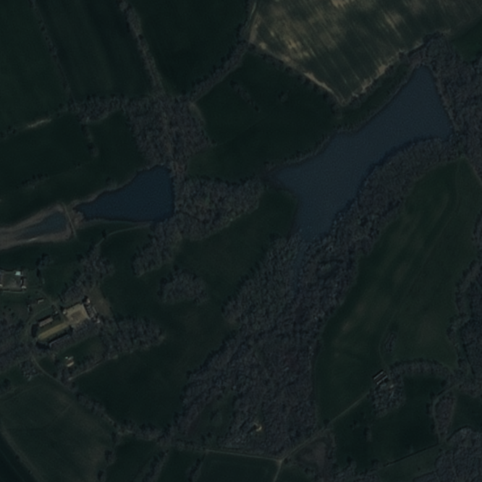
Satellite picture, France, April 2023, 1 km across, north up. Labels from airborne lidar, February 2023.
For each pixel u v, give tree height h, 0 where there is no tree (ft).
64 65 0
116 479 0
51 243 0
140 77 0
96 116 52
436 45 77
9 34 0
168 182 0
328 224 0
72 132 0
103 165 0
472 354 43
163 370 0
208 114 0
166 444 77
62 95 0
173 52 0
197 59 0
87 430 0
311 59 0
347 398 0
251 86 0
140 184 0
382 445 0
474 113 51
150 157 67
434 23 0
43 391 0
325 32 0
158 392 0
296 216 0
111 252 0
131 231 0
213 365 70
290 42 0
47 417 0
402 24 0
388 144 0
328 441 0
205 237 67
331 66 0
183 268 0
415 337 0
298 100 0
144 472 0
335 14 0
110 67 0
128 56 0
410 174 66
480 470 35
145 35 0
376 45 0
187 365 0
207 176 0
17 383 0
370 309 0
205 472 0
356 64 0
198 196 85
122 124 0
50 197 0
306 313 33
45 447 0
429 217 0
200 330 0
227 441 22
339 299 52
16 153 0
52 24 0
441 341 0
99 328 91
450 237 0
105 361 52
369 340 0
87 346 0
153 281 0
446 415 31
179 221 73
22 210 0
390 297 0
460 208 0
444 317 0
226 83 0
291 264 24
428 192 0
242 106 0
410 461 0
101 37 0
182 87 0
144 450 0
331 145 0
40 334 0
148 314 0
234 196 90
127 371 0
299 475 0
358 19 0
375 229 74
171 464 0
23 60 0
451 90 64
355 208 60
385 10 0
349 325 0
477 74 52
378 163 0
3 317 28
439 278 0
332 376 0
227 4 0
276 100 0
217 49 0
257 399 48
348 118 0
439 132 0
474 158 71
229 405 0
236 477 0
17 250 0
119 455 0
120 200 0
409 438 0
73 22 0
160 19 0
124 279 0
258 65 0
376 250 0
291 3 0
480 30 0
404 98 0
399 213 60
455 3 0
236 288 0
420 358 0
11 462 0
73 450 0
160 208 0
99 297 0
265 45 0
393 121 0
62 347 66
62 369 40
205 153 0
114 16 0
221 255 0
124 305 0
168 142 81
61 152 0
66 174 0
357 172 0
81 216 0
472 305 35
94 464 0
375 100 0
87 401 54
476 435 25
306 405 34
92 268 25
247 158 0
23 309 0
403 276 0
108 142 0
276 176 0
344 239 52
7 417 0
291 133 0
